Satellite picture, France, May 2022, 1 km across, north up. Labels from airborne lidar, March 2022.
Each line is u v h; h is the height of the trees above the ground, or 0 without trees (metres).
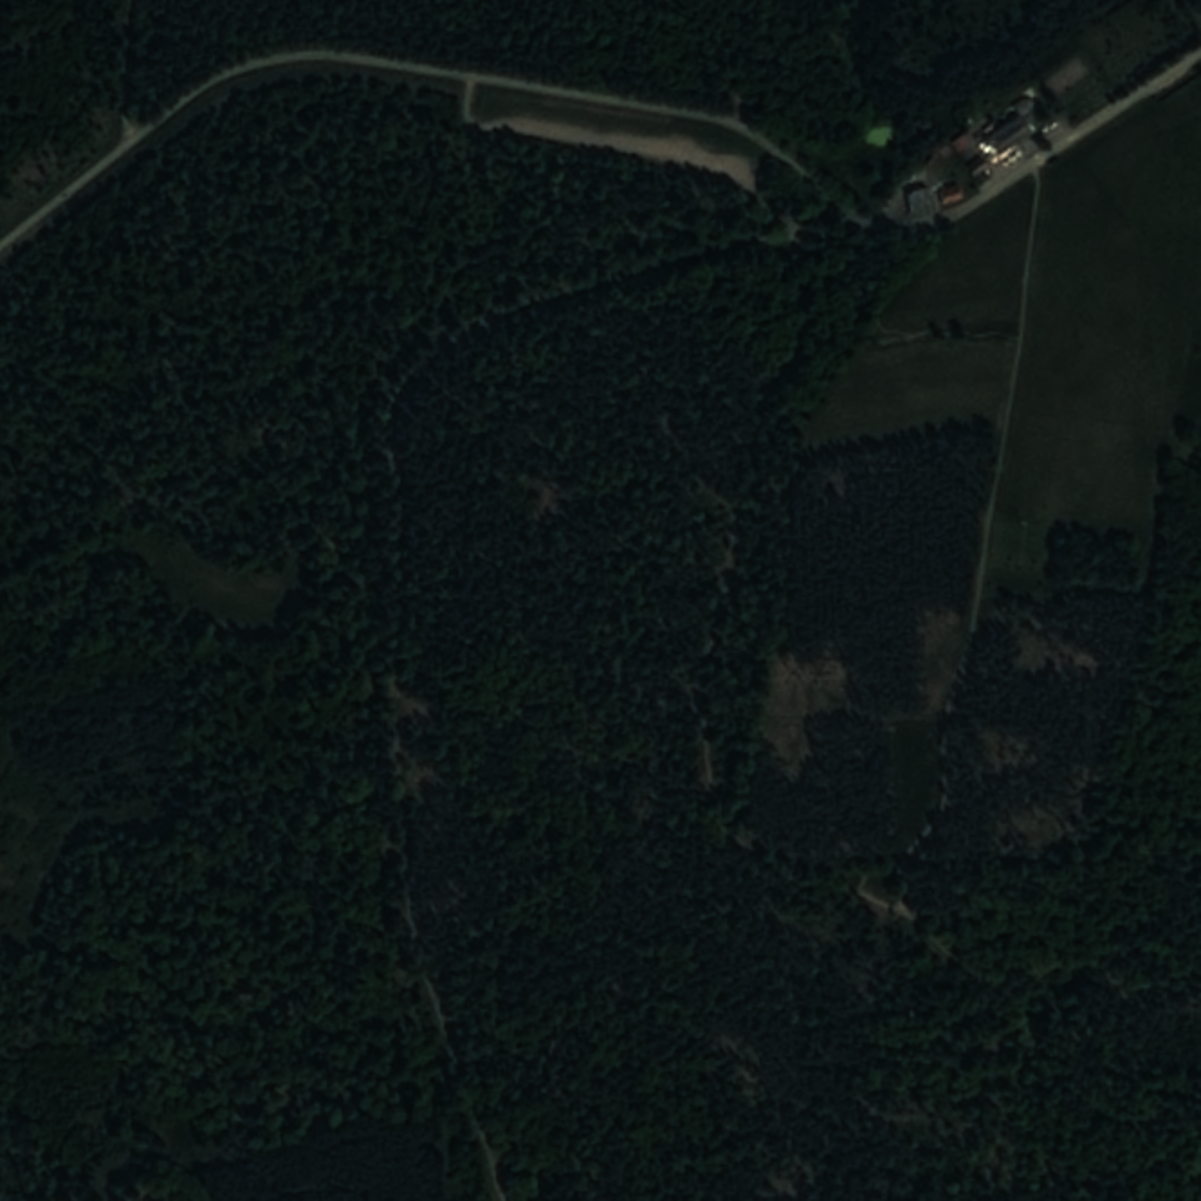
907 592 27
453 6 23
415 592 27
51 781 6
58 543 31
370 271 23
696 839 28
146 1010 32
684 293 24
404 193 30
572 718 23
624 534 14
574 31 25
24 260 11
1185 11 16
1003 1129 25
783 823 25
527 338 26
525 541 27
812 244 19
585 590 20
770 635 22
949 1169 7
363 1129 25
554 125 0
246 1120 30
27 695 21
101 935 33
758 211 28
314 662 9
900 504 26
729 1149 25
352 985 29
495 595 21
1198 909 29
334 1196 24
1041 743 26
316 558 27
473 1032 26
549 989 24
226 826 32
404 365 25
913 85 25
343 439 31
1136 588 11
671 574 26
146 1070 26
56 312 13
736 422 26
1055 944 26
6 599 21
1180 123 0
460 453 23
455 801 23
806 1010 24
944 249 0
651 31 22
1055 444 0
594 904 25
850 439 0
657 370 21
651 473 23
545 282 22
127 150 0
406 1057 31
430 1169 25
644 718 20
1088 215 0
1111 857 24
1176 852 32
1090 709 27
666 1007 17
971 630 0
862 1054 25
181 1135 0
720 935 22
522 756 22
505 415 26
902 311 0
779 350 28
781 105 23
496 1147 20
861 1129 29
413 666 20
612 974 25
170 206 26
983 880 24
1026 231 0
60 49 9
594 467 24
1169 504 17
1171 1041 9
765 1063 20
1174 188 0
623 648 24
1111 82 0
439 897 25
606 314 22
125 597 28
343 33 19
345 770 29
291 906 29
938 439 24
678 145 0
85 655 18
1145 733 25
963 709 20
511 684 24
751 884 26
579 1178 23
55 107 14
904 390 0
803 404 27
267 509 22
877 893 0
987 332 0
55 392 10
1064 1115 27
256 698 28
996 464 11
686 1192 22
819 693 0
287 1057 29
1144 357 0
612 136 0
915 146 19
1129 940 28
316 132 32
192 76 29
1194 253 0
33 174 0
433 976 16
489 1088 23
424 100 10
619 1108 21
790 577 24
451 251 26
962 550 26
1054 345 0
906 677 25
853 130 25
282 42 27
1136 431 0
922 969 12
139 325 9
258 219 30
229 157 26
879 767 26
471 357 29
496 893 20
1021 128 0
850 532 27
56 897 21
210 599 0
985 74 24
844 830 26
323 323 28
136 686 23
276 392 24
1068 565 24
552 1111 17
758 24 25
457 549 23
